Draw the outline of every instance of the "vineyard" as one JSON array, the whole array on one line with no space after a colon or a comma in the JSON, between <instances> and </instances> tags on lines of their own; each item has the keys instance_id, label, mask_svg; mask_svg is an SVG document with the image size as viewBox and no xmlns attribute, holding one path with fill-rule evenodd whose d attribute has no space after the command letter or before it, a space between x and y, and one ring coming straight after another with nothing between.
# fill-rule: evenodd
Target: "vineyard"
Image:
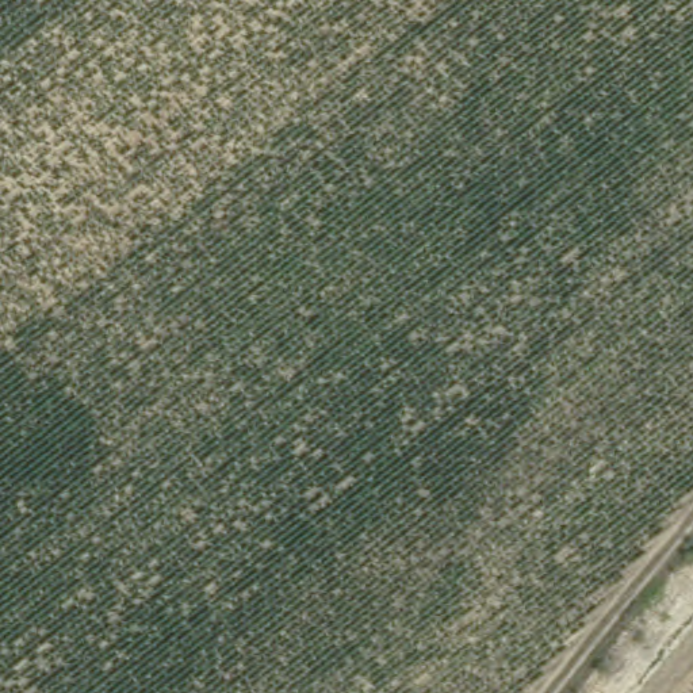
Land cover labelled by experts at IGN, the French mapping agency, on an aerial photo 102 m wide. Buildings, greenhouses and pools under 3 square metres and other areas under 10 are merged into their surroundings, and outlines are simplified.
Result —
<instances>
[{"instance_id":1,"label":"vineyard","mask_svg":"<svg viewBox=\"0 0 693 693\"><path fill-rule=\"evenodd\" d=\"M628 563L642 558L647 541L663 531L663 520L674 512L677 501L688 493L693 495L693 0L0 0L0 693L525 693L528 685L533 685L544 674L544 666L566 650L566 633L579 631L585 625L585 617L596 612L587 596L593 596L604 585L617 582Z\"/></svg>"}]
</instances>

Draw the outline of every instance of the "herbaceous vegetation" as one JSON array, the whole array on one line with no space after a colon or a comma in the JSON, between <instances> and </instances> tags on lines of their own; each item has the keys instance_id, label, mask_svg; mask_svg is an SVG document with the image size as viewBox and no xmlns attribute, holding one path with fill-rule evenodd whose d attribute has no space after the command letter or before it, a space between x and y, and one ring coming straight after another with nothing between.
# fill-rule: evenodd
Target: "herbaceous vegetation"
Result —
<instances>
[{"instance_id":1,"label":"herbaceous vegetation","mask_svg":"<svg viewBox=\"0 0 693 693\"><path fill-rule=\"evenodd\" d=\"M647 541L642 558L628 563L617 582L604 585L593 596L587 596L596 612L585 617L585 625L579 631L566 633L566 650L544 666L544 674L533 685L528 685L525 693L693 693L693 495L688 493L677 501L674 512L663 520L663 531Z\"/></svg>"}]
</instances>

